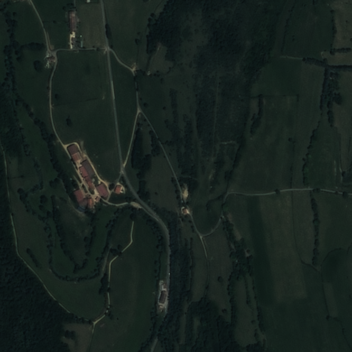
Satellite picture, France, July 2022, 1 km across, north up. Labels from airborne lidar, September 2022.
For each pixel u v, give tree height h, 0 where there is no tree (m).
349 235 0
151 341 9
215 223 0
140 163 17
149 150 0
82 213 0
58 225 11
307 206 0
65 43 0
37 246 0
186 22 0
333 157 0
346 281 0
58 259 0
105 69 0
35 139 0
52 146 19
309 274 0
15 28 10
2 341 12
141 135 17
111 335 0
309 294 0
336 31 6
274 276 0
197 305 9
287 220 0
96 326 0
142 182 8
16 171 0
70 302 0
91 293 0
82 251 0
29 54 0
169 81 0
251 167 0
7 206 12
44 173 0
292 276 0
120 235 0
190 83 0
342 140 0
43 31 0
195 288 0
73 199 11
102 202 10
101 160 0
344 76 0
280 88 0
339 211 0
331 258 0
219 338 7
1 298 18
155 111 0
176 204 0
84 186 9
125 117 0
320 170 0
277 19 6
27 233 0
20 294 18
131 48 0
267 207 0
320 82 0
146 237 0
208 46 8
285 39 6
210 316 14
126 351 0
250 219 0
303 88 0
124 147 0
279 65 0
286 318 0
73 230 0
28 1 0
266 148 0
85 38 0
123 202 0
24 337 7
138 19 0
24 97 0
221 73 0
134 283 0
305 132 0
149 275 0
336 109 0
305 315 0
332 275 0
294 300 0
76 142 0
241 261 17
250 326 0
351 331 0
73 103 0
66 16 0
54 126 0
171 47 7
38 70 20
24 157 0
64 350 21
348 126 0
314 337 0
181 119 0
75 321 17
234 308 13
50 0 0
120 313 0
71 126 13
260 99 12
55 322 22
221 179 0
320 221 12
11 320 11
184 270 6
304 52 0
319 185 0
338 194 9
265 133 0
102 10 0
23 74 0
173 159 0
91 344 0
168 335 11
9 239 16
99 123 0
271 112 0
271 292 0
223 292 0
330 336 0
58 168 18
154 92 0
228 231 11
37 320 20
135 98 0
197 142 0
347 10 0
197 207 0
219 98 0
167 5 8
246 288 9
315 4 12
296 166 0
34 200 0
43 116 0
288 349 0
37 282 12
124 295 0
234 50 14
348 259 0
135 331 0
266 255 0
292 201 0
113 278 0
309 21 0
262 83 0
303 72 0
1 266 25
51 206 0
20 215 0
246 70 12
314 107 0
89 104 0
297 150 0
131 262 0
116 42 0
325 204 0
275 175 0
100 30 0
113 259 0
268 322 0
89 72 0
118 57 0
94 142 0
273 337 0
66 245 17
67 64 0
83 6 0
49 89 11
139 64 0
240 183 0
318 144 0
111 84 0
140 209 10
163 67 0
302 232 0
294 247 0
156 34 19
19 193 12
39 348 22
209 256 0
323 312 0
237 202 0
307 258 0
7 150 10
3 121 10
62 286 0
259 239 0
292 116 0
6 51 13
